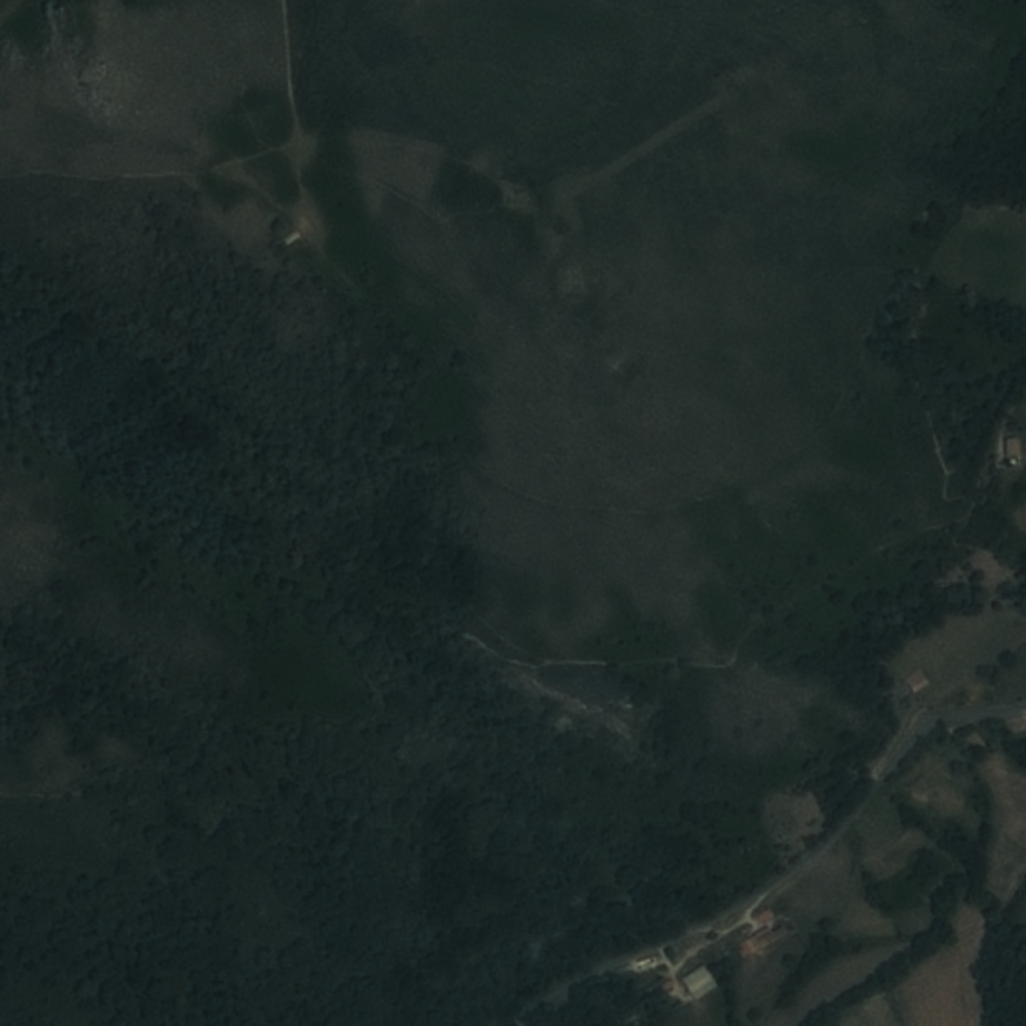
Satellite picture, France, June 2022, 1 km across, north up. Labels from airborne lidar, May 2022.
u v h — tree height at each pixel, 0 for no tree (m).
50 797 6
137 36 0
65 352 34
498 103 0
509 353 0
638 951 13
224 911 7
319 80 0
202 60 0
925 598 18
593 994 22
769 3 0
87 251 8
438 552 12
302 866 25
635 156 0
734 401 0
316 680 0
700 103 0
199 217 0
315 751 10
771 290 0
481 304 0
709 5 0
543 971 21
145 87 0
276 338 7
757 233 0
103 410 28
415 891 20
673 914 25
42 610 16
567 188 0
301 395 7
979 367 0
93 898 17
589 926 17
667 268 0
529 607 0
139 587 9
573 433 0
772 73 0
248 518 9
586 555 0
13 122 0
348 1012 19
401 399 13
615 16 0
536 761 10
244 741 12
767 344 0
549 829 25
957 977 0
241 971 18
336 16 0
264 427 11
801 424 0
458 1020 12
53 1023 8
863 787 15
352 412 6
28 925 16
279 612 12
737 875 0
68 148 0
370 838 24
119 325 11
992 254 0
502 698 17
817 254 0
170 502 23
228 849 9
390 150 0
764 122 0
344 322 9
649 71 0
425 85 0
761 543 0
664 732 21
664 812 6
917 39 0
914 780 0
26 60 0
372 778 7
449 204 0
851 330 0
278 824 23
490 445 0
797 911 0
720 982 8
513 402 0
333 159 0
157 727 19
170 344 9
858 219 0
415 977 6
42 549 0
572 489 0
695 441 0
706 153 0
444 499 11
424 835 14
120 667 14
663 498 0
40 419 18
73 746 9
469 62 0
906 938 0
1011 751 16
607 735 6
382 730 11
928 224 8
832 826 14
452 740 17
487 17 0
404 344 11
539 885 7
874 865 0
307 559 20
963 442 14
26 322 23
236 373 11
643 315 0
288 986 19
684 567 0
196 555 16
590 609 0
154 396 35
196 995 21
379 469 22
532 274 0
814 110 0
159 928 21
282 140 0
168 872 11
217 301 13
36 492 0
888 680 9
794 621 16
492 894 10
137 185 0
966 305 15
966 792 0
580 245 0
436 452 12
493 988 23
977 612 19
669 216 0
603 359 0
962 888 21
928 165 9
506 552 0
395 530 21
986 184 18
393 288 0
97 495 18
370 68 0
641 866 22
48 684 19
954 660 0
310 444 11
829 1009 20
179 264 11
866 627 20
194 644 0
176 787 23
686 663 12
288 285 8
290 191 0
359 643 14
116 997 25
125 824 18
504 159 0
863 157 0
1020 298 0
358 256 0
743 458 0
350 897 27
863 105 0
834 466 0
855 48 0
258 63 0
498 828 15
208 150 0
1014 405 15
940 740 10
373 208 0
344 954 19
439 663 13
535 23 0
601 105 0
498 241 0
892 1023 0
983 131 9
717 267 0
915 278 17
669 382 0
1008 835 0
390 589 7
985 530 8
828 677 10
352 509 13
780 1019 0
